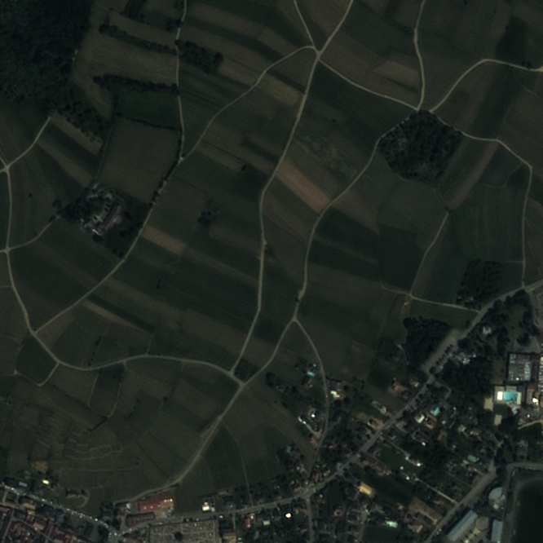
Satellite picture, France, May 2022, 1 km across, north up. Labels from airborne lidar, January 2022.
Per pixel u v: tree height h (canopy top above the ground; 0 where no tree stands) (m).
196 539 0
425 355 16
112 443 0
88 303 0
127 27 0
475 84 0
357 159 0
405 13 0
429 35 0
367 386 0
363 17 0
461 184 0
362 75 0
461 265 0
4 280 0
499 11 0
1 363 0
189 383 0
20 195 0
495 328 17
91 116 10
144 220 0
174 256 0
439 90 0
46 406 0
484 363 18
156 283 0
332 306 0
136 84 20
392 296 0
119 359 0
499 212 0
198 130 0
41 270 0
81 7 26
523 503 0
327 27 0
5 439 0
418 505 0
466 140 0
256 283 0
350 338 0
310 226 0
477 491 0
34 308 0
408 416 12
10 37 23
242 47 0
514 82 0
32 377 0
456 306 0
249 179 0
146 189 0
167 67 0
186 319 0
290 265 0
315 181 0
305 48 0
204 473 0
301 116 0
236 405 0
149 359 0
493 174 0
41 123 0
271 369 0
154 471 0
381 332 0
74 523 0
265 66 0
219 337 0
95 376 0
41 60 24
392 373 0
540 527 0
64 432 0
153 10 0
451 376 23
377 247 0
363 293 0
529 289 0
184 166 0
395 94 0
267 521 0
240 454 0
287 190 0
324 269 0
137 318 0
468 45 0
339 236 0
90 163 0
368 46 0
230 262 0
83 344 0
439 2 0
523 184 0
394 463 0
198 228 0
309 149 0
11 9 20
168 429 0
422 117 12
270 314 0
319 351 0
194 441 0
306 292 0
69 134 0
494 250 0
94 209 18
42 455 0
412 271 0
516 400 0
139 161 0
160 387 0
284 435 0
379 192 0
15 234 0
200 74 0
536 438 0
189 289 0
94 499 0
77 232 0
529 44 0
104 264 0
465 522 0
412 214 0
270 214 0
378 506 0
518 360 0
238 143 0
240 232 0
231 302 0
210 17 0
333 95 0
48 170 0
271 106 0
